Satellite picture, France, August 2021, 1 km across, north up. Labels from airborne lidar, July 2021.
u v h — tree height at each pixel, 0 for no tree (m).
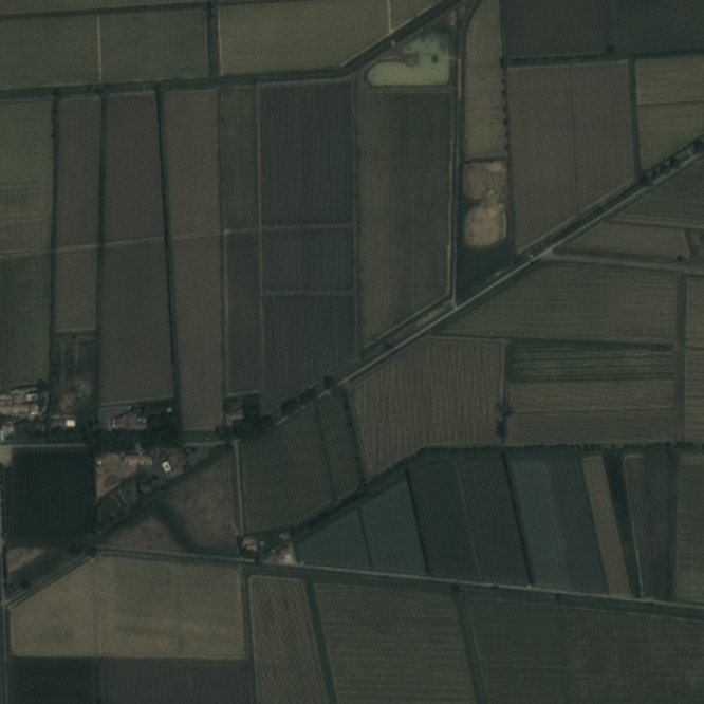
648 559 0
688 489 0
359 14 0
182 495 0
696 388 0
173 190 0
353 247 0
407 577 0
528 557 11
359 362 0
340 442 0
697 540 0
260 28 0
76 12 0
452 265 0
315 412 0
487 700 0
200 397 0
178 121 0
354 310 0
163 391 0
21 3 0
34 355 0
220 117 0
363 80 0
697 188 0
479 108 0
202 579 0
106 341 0
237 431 15
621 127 0
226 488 0
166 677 0
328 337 0
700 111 0
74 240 0
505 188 0
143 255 0
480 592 0
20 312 0
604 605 0
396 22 0
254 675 0
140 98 0
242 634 0
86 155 0
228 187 0
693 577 0
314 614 0
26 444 0
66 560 0
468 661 0
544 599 0
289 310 0
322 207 0
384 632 0
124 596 0
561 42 0
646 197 0
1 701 0
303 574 0
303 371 0
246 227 0
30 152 0
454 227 0
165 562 0
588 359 0
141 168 0
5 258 0
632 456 0
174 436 20
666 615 0
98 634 0
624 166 0
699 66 0
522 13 0
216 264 0
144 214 0
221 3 0
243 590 0
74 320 0
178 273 0
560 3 0
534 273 0
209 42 0
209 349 0
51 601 0
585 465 0
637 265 0
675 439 0
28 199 0
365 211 0
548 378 0
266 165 0
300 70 0
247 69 0
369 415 0
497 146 0
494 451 15
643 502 0
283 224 0
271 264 0
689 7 0
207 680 0
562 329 0
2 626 0
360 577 0
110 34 0
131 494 8
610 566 0
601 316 0
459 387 0
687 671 0
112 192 0
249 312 0
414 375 0
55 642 0
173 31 0
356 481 0
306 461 0
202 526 0
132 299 0
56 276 0
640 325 0
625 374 0
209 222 0
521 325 0
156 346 0
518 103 0
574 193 0
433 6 0
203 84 0
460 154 0
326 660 0
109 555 0
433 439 0
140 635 0
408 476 10
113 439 23
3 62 0
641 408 0
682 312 0
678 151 0
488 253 0
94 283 0
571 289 0
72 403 0
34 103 0
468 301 0
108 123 0
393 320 0
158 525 0
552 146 0
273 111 0
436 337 0
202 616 0
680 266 0
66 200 0
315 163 0
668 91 0
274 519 0
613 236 0
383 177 0
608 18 0
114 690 0
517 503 9
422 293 0
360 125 0
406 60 0
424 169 0
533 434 0
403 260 0
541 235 0
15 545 0
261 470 0
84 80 0
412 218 0
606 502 0
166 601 0
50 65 0
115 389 0
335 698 0
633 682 0
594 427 0
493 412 0
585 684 0
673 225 0
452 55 0
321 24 0
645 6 0
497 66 0
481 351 0
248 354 0
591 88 0
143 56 0
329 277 0
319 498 0
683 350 0
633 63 0
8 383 0
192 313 0
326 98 0
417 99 0
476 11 0
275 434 0
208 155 0
